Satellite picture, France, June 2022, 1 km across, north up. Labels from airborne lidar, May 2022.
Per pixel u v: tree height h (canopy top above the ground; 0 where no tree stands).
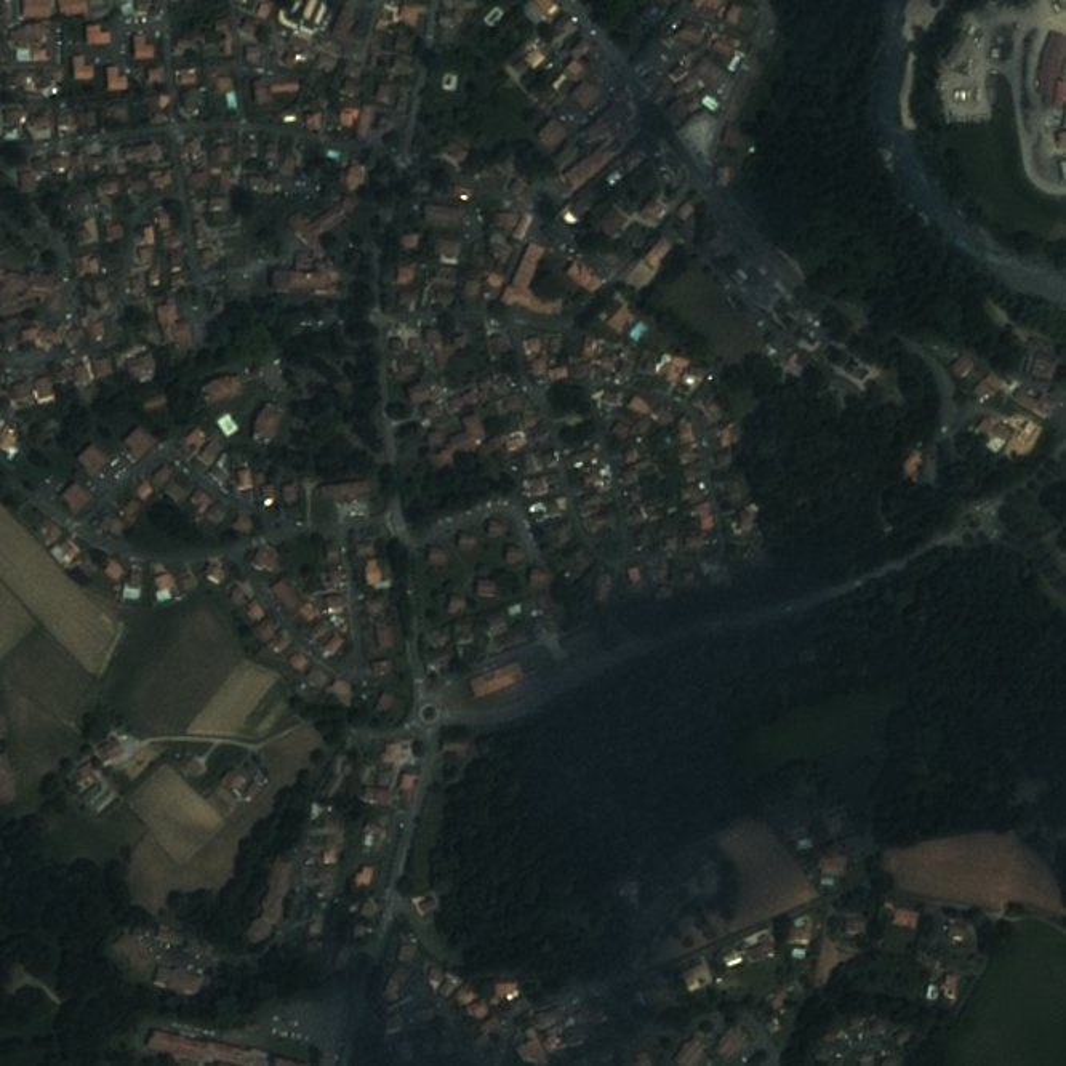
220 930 22
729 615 32
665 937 7
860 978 6
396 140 13
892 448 21
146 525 0
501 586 17
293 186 0
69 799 11
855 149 24
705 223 15
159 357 16
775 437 31
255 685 0
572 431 11
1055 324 37
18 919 21
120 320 8
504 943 26
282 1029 0
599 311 18
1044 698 24
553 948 20
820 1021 24
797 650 33
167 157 9
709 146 0
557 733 24
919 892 0
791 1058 18
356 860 0
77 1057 19
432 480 11
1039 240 12
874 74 22
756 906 0
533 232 0
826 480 17
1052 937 0
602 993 0
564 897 16
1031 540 17
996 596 30
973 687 22
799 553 23
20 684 0
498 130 0
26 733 0
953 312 9
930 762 23
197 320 0
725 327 0
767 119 22
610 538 0
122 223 6
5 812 0
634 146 12
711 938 11
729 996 8
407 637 10
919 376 16
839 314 23
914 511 18
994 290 20
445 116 7
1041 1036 0
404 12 0
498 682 0
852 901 15
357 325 17
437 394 0
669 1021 18
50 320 0
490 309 11
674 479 0
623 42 18
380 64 13
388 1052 18
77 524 0
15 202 28
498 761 25
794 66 18
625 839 16
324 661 0
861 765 18
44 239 0
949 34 16
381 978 10
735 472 10
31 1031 0
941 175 10
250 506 0
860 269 18
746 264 0
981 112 0
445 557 0
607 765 27
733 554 13
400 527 0
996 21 0
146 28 0
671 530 0
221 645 0
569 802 27
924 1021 21
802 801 0
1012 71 0
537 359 0
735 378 22
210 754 0
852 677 20
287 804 20
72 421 18
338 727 16
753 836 0
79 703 0
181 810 0
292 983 20
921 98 11
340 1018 0
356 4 0
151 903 0
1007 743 24
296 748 0
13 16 0
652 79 0
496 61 7
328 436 24
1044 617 18
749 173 6
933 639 31
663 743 25
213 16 6
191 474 0
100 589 0
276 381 0
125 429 0
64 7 0
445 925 20
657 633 24
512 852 25
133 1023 11
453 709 0
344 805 13
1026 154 0
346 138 6
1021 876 0
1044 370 0
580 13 0
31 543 0
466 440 0
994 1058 0
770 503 23
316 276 0
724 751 14
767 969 0
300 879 0
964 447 12
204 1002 17
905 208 15
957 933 0
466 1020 6
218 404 0
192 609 0
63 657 0
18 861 29
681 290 0
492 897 26
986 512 0
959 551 13
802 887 0
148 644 0
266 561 0
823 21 22
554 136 0
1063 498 28
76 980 20
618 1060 7
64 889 24
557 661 0
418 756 10
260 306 9
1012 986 0
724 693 32
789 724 0
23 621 0
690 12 0
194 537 25
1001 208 0
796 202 25
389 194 24
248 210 25
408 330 0
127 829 0
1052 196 0
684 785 31
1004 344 22
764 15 0
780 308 16
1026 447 0
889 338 12
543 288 23
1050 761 18
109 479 0
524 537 0
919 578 13
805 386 20
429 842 0
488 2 17
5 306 0
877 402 14
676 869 11
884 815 8
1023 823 12
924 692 22
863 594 12
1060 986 0
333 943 6
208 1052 0
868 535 26
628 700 26
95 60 0
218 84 0
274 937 12
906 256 17
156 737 0
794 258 10
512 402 0
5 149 14
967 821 12
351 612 0
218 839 0
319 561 0
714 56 7
